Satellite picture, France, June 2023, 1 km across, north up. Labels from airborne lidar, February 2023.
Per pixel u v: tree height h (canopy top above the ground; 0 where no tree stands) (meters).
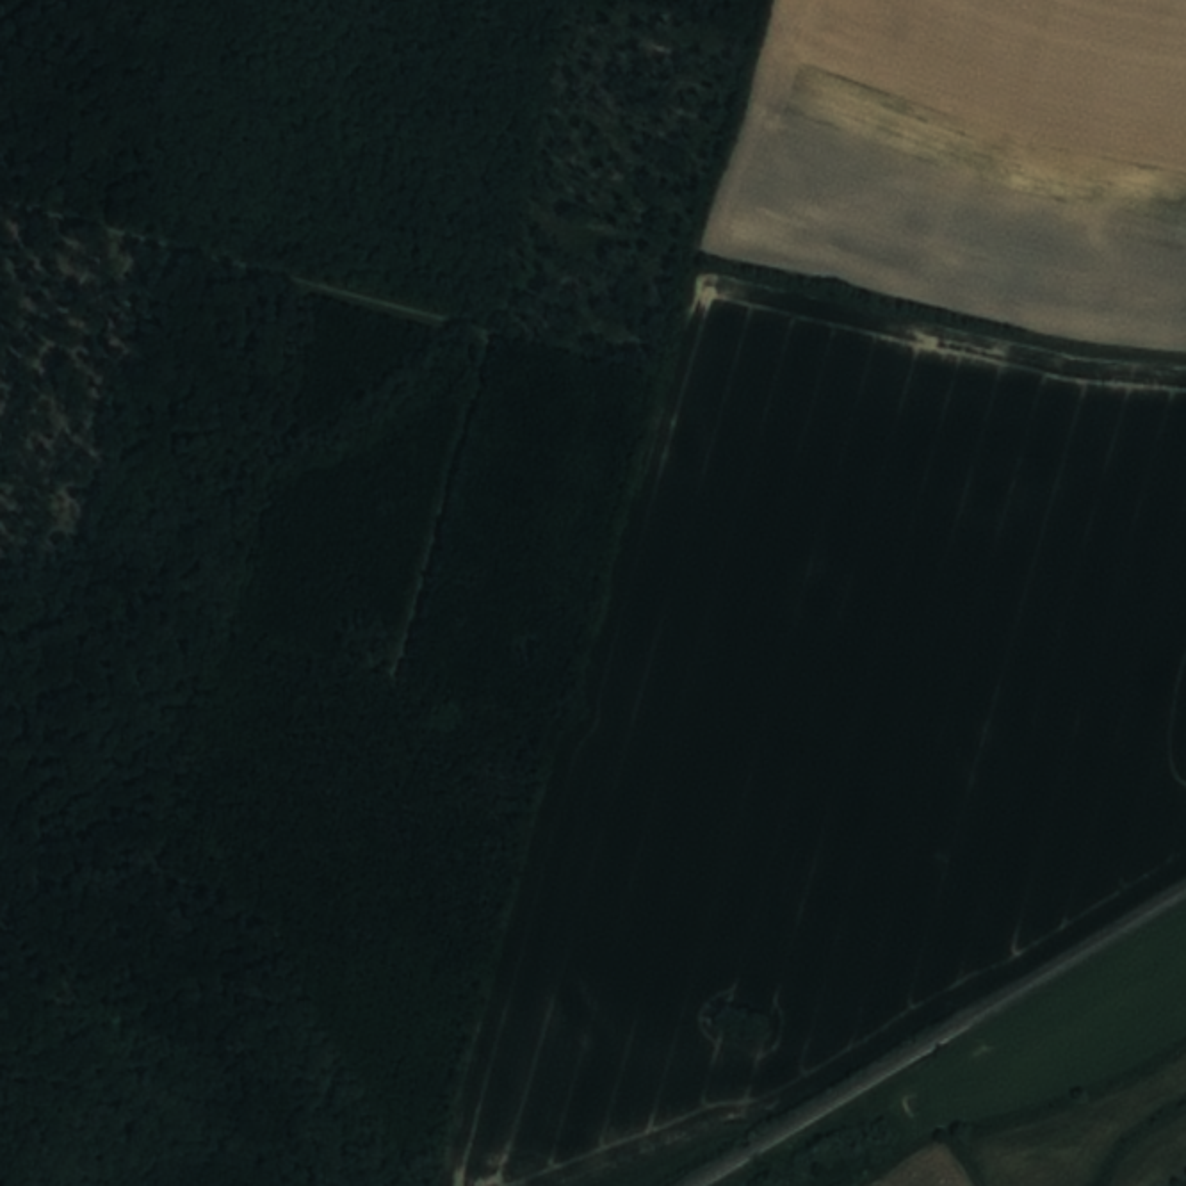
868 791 0
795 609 0
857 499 0
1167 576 0
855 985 0
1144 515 0
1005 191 0
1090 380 0
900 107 0
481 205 21
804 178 0
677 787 0
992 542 0
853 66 0
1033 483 0
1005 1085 0
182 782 24
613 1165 0
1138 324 0
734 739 0
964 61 0
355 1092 23
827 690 0
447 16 21
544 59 23
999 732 0
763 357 0
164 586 28
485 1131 0
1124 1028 0
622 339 0
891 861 0
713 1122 0
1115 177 0
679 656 0
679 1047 0
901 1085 0
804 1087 0
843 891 0
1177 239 0
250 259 25
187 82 24
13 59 32
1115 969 0
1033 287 0
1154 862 0
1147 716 0
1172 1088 0
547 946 0
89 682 31
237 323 31
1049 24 0
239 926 29
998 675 0
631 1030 0
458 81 21
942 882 0
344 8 24
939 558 0
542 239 24
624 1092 0
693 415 0
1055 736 0
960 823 0
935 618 0
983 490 0
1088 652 0
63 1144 22
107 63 32
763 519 0
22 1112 24
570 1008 0
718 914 0
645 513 0
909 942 0
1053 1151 0
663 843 0
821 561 0
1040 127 0
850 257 0
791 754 0
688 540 0
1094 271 0
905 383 0
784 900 0
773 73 0
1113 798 0
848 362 0
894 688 0
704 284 0
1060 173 0
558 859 0
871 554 0
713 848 0
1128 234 0
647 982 0
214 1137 26
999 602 0
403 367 21
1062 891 0
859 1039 0
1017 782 0
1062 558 0
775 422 0
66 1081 23
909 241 0
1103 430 0
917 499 0
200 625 23
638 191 25
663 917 0
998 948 0
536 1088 0
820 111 0
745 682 0
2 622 26
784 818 0
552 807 0
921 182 0
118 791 28
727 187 0
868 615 0
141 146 29
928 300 0
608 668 0
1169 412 0
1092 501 0
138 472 26
